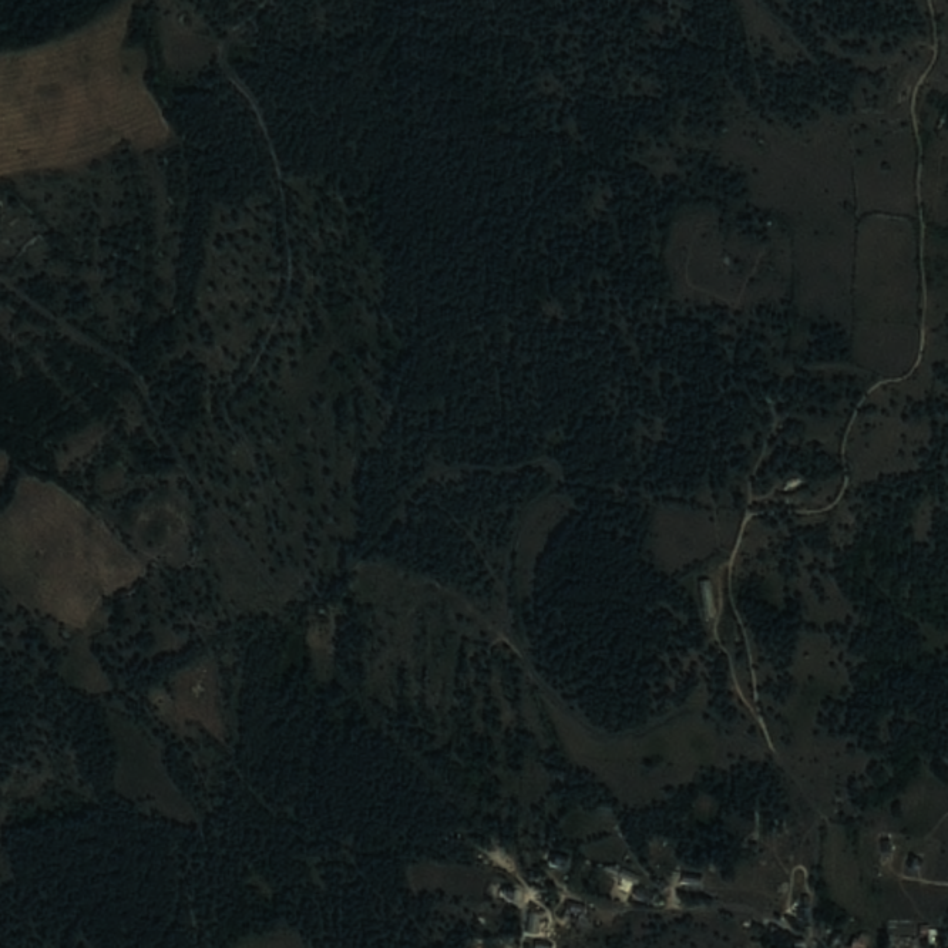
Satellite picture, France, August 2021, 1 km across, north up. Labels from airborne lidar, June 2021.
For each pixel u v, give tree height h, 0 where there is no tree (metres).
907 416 9
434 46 8
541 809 9
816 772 0
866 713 12
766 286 0
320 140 11
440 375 14
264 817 14
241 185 11
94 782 13
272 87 9
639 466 10
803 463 12
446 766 13
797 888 0
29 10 14
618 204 10
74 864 11
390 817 14
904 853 0
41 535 0
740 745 0
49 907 11
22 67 0
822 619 0
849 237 0
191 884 11
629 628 17
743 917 0
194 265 12
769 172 0
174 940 12
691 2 10
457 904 10
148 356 12
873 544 6
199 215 11
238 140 10
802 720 0
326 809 12
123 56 0
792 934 11
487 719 11
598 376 13
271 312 13
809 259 0
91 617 0
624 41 7
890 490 9
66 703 9
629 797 0
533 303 8
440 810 13
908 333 0
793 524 8
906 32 8
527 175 12
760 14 0
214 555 0
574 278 14
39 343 7
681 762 0
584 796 13
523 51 8
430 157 10
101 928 14
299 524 0
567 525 13
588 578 17
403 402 11
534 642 10
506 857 0
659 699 13
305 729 14
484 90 9
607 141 12
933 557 10
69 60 0
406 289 10
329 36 18
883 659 8
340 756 16
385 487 11
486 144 8
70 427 9
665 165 0
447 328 14
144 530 0
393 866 13
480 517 10
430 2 10
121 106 0
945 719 12
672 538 0
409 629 0
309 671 11
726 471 11
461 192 10
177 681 0
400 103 13
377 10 12
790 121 8
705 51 13
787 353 8
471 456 9
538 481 11
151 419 8
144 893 13
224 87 11
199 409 8
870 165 0
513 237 12
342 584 13
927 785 0
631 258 10
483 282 9
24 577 0
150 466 11
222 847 12
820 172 0
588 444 13
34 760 9
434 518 8
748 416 12
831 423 0
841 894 0
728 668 8
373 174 10
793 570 7
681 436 8
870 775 9
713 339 14
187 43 0
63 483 8
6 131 0
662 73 7
